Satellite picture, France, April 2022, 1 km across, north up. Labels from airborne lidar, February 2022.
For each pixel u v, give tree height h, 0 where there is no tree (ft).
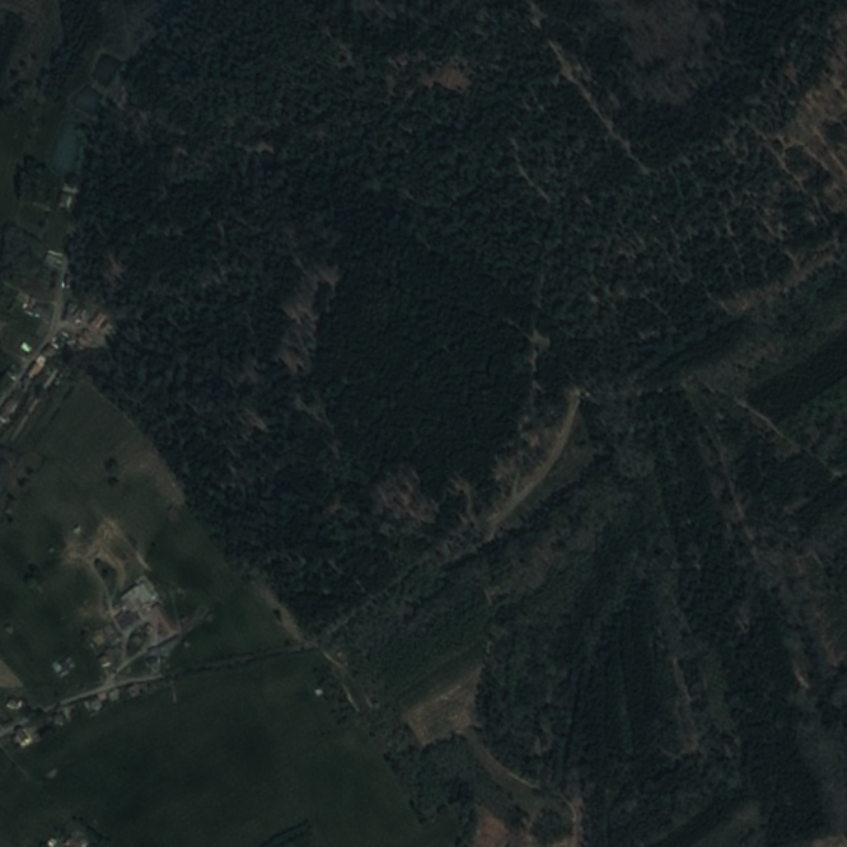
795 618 88
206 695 0
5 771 0
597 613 59
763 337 80
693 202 79
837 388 53
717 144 42
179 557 0
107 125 75
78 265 71
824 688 40
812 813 45
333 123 68
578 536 49
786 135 58
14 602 0
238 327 40
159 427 27
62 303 0
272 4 85
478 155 77
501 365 59
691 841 29
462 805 66
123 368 44
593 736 57
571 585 57
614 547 66
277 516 129
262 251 71
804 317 52
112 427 0
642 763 63
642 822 71
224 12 83
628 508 71
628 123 83
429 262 63
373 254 64
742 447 23
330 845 0
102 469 0
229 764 0
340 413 54
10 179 0
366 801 0
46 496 0
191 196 58
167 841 0
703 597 66
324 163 46
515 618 26
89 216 71
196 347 45
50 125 0
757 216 77
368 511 59
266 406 59
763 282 62
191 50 82
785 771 47
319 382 42
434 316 60
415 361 47
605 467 91
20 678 0
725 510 42
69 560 0
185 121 30
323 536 59
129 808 0
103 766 0
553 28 58
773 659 52
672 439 52
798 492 51
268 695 0
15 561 0
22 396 0
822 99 30
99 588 0
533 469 76
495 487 45
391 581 38
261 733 0
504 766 78
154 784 0
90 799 0
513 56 29
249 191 47
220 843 0
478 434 52
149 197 53
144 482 0
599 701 52
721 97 52
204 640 0
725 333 77
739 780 76
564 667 64
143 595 0
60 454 0
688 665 62
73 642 0
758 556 82
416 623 62
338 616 45
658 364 108
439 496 44
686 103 52
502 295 65
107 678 0
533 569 47
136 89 40
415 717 0
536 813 0
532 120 62
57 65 60
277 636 0
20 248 76
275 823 0
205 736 0
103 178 38
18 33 44
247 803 0
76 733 0
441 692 0
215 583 0
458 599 66
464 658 0
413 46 30
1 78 41
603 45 64
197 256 41
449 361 55
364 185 72
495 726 81
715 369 82
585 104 45
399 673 61
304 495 27
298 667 0
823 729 67
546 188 45
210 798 0
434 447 58
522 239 86
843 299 66
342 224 52
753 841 48
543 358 55
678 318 78
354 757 0
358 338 42
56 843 0
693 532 52
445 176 68
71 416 0
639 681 71
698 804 71
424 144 79
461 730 0
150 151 49
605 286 62
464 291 62
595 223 68
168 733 0
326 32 62
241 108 63
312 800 0
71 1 50
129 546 0
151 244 48
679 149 37
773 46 42
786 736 48
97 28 70
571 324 39
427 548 36
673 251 81
